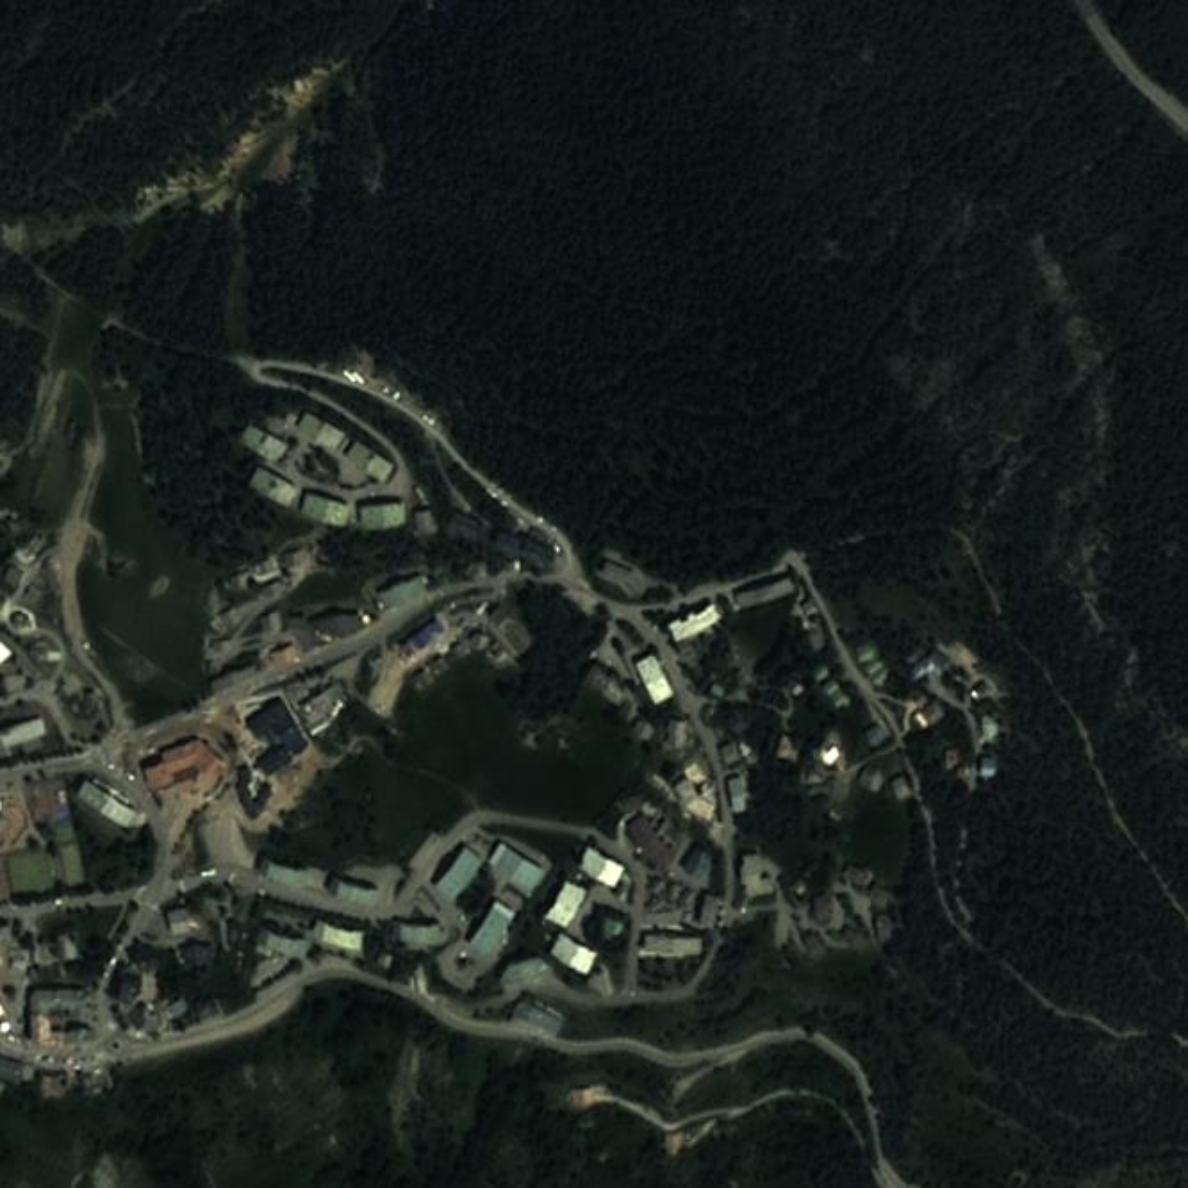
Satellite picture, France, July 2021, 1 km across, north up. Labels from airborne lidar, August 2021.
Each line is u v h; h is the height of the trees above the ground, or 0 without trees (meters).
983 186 12
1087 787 8
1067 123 15
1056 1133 12
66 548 0
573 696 9
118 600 0
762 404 17
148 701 0
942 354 9
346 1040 18
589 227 23
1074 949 15
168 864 0
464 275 21
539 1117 9
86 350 0
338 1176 19
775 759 15
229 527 9
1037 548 14
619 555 0
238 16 16
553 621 17
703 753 0
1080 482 5
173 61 20
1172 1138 10
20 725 0
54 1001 0
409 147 17
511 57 24
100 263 14
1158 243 11
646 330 10
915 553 20
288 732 0
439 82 20
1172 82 17
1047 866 16
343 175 19
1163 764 7
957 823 11
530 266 18
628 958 0
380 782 0
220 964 7
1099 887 12
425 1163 17
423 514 0
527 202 16
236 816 0
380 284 17
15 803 0
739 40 11
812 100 9
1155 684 19
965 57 16
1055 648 16
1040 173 13
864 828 0
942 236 12
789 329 19
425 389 10
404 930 0
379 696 0
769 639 0
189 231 18
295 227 17
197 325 23
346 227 18
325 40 15
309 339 16
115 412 0
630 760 0
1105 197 13
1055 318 12
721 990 7
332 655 0
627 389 18
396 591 0
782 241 17
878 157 18
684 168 29
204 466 15
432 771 0
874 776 0
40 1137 0
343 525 9
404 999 12
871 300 17
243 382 12
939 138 13
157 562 0
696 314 21
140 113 8
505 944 0
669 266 25
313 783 0
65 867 0
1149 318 12
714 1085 0
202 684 0
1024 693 7
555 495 18
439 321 23
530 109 16
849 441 15
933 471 16
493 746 0
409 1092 0
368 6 16
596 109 29
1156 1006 13
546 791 0
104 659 0
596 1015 0
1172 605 15
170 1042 0
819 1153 12
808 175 14
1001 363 10
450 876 0
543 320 19
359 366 0
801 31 11
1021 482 10
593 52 26
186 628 0
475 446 19
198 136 17
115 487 0
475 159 21
